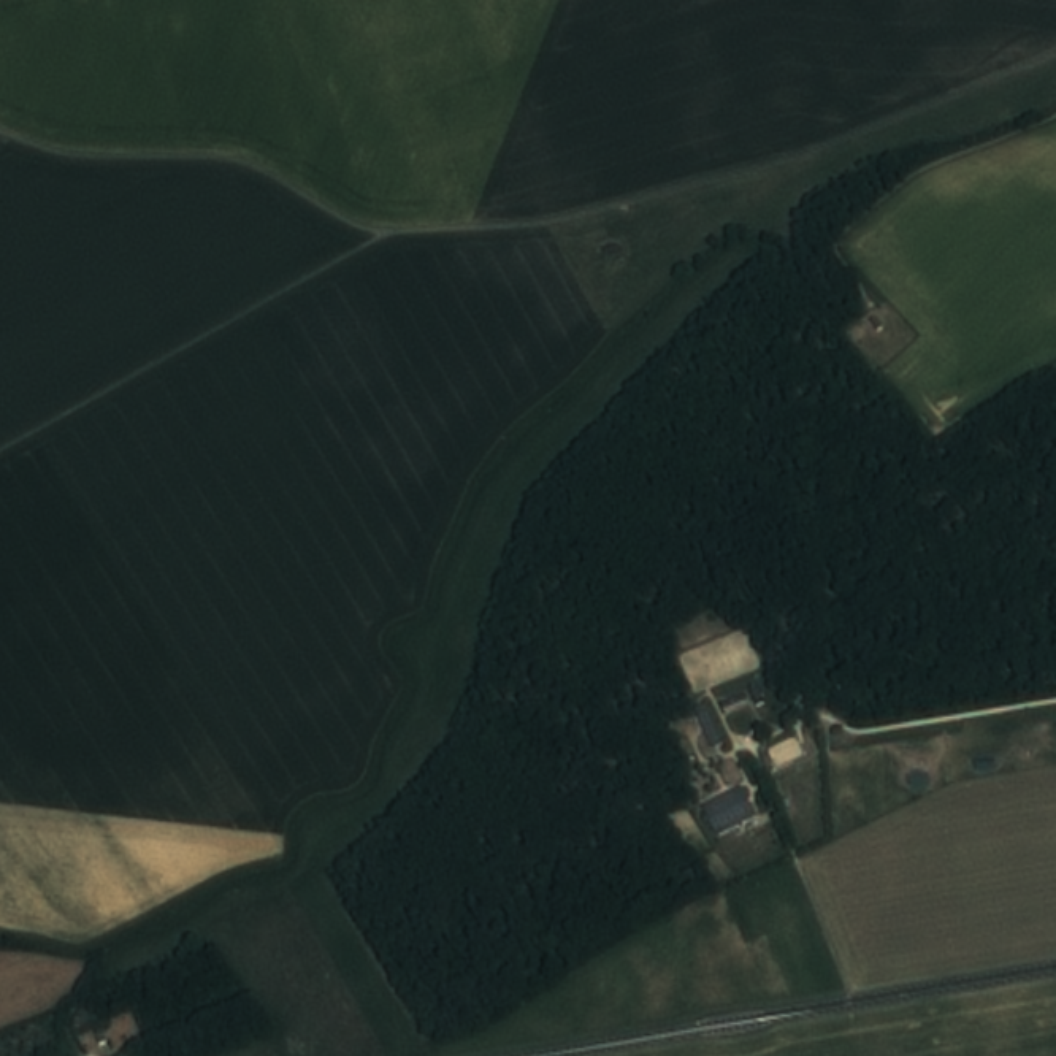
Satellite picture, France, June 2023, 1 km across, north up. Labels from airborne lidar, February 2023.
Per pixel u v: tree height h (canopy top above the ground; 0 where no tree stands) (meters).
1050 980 0
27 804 0
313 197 0
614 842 23
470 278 0
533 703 17
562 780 19
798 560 25
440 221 0
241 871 0
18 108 0
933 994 0
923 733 0
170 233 0
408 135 0
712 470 19
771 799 13
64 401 0
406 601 0
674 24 0
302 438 0
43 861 0
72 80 0
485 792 22
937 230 0
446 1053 0
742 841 0
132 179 0
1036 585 22
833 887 0
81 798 0
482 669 17
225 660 0
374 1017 0
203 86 0
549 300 0
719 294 11
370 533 0
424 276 0
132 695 0
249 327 0
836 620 24
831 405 21
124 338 0
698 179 0
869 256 0
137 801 0
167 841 0
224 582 0
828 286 20
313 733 0
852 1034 0
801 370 23
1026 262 0
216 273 0
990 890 0
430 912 21
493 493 0
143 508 0
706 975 0
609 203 0
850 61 0
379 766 0
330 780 0
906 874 0
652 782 22
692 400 23
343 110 0
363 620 0
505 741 19
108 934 0
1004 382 0
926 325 0
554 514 20
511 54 0
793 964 0
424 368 0
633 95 0
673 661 24
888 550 19
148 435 0
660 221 0
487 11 0
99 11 0
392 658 0
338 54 0
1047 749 0
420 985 16
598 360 0
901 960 0
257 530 0
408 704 0
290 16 0
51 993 0
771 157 0
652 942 0
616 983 0
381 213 0
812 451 21
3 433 0
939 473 20
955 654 20
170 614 0
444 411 0
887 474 20
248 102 0
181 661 0
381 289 0
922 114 0
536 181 0
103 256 0
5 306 0
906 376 0
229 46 0
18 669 0
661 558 23
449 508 0
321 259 0
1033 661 20
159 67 0
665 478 22
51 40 0
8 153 0
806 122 0
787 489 21
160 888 0
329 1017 0
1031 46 0
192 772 0
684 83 0
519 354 0
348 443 0
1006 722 0
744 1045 0
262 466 0
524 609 20
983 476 14
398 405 0
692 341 18
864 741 0
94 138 0
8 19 0
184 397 0
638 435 20
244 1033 20
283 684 0
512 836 22
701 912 0
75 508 0
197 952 19
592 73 0
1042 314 0
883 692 24
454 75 0
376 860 24
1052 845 0
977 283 0
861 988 0
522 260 0
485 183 0
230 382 0
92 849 0
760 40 0
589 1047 0
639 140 0
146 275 0
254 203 0
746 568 24
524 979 19
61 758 0
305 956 0
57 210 0
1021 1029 0
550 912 16
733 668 0
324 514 0
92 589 0
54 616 0
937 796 0
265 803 0
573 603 17
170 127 0
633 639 22
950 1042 0
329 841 0
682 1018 0
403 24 0
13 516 0
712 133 0
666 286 0
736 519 22
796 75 0
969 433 19
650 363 10
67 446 0
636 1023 0
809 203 14
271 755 0
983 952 0
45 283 0
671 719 21
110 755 0
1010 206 0
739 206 0
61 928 0
